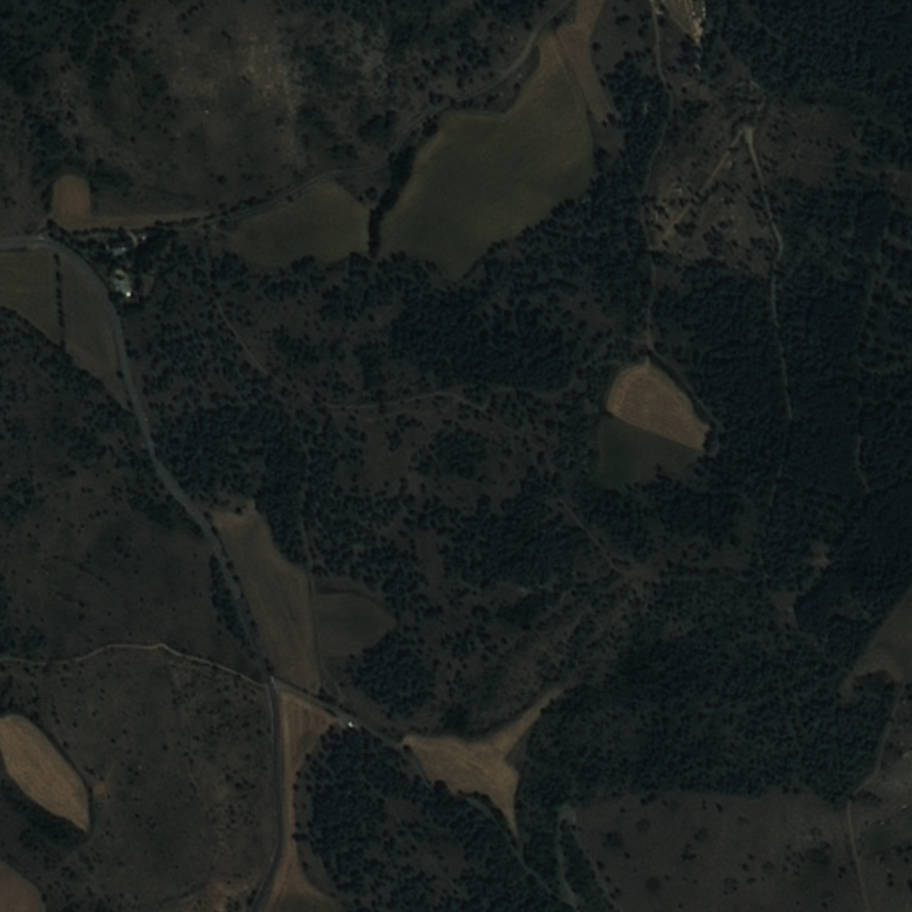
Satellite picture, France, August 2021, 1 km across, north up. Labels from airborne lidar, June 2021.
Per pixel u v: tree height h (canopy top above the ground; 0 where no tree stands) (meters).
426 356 7
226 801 0
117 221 0
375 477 0
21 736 0
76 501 0
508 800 0
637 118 14
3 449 0
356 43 0
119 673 0
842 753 12
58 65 0
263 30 0
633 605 6
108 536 0
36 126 7
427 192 0
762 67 10
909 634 0
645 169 11
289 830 0
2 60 7
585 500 6
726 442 12
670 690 10
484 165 0
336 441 10
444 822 7
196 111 0
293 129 0
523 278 8
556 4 0
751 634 6
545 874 12
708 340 7
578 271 9
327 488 11
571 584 8
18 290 0
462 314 8
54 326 0
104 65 9
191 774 0
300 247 0
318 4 9
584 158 0
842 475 15
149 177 0
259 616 0
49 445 0
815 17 16
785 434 9
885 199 13
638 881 0
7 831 0
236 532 0
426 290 10
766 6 11
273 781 0
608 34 0
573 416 10
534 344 11
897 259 10
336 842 14
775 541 7
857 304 12
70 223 0
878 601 10
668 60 0
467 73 13
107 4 7
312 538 0
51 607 0
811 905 0
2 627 11
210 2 0
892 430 9
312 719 0
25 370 0
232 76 0
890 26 18
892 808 0
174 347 8
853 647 13
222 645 0
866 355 11
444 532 9
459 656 9
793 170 0
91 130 0
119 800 0
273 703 0
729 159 0
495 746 0
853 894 0
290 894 0
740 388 14
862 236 10
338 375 6
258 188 0
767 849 0
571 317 7
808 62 11
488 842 13
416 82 11
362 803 11
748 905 0
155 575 0
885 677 0
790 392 7
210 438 13
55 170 6
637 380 0
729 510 10
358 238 0
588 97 0
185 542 0
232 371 9
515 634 0
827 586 16
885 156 6
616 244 10
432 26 10
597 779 7
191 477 9
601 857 0
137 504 6
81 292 0
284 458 19
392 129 10
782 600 0
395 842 10
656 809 0
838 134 0
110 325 0
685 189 0
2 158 0
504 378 9
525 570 11
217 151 0
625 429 0
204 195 0
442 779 0
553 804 10
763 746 8
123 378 9
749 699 7
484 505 12
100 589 0
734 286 10
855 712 9
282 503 13
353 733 10
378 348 7
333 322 0
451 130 0
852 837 0
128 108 0
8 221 0
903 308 9
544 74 0
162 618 0
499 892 9
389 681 11
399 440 7
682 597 9
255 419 12
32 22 8
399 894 9
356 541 12
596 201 15
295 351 8
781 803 0
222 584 13
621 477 0
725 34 11
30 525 0
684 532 11
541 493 10
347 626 0
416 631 8
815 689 8
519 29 0
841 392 11
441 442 9
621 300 9
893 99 12
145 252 14
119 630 0
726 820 0
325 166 0
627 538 9
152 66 0
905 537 13
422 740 0
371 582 11
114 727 0
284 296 9
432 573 0
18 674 0
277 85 0
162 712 0
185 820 0
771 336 8
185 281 9
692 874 0
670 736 7
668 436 0
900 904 0
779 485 9
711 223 0
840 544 12
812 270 8
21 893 0
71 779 0
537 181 0
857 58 7
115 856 0
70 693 0
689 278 7
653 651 7
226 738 0
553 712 7
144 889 0
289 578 0
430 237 0
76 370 7
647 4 0
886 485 9
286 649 0
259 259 0
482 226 0
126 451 8
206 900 0
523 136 0
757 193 6
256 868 0
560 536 8
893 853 0
